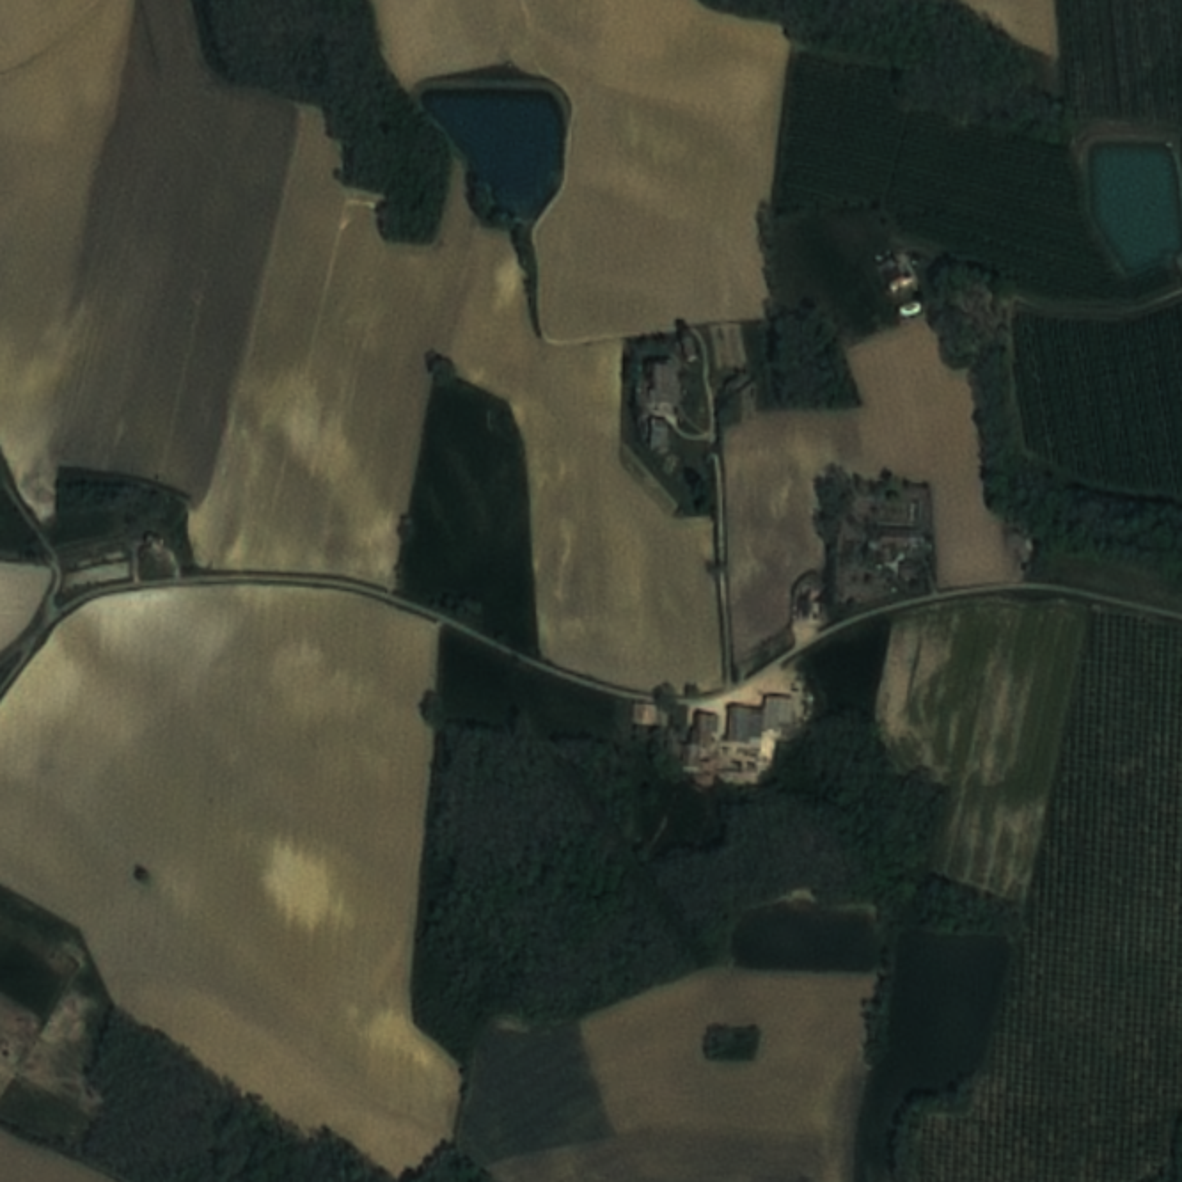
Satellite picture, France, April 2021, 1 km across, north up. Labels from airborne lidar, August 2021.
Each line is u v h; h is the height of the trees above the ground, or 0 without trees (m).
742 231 0
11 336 0
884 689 0
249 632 0
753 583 0
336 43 15
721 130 0
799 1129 0
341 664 0
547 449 0
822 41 13
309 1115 0
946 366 10
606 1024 0
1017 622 0
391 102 18
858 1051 0
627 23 0
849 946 0
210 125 0
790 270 0
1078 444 7
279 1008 0
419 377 0
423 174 13
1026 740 0
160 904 0
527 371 0
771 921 0
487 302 0
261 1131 11
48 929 0
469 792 18
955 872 0
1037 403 7
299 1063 0
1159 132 0
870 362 0
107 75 0
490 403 0
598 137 0
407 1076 0
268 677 0
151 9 0
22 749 0
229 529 0
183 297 0
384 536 0
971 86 23
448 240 0
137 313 0
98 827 0
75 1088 0
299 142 0
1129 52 7
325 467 0
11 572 0
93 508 6
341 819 0
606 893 14
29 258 0
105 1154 15
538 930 23
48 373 0
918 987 0
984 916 11
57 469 0
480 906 20
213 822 0
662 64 0
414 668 0
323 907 0
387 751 0
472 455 0
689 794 0
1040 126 18
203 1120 19
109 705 0
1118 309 0
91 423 0
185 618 0
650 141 0
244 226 0
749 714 0
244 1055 0
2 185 0
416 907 0
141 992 0
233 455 0
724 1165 0
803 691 0
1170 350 8
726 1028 9
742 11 15
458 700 0
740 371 7
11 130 0
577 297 0
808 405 19
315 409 0
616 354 0
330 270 0
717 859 20
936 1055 0
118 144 0
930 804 15
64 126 0
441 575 0
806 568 0
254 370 0
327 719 0
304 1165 21
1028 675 0
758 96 0
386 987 0
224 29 18
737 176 0
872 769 11
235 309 0
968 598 0
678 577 0
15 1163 0
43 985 0
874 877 22
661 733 9
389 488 0
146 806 0
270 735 0
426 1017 8
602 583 0
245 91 13
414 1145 0
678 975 16
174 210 0
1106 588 0
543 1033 0
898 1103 0
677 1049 0
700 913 19
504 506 0
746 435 0
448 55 0
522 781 22
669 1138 0
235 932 0
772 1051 0
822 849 16
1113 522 13
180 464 0
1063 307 0
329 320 0
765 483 0
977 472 0
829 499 21
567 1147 0
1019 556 0
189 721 0
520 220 10
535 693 0
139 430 0
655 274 0
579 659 0
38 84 0
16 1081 0
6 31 0
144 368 0
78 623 0
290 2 19
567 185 0
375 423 0
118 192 0
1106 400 7
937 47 23
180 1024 0
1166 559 15
